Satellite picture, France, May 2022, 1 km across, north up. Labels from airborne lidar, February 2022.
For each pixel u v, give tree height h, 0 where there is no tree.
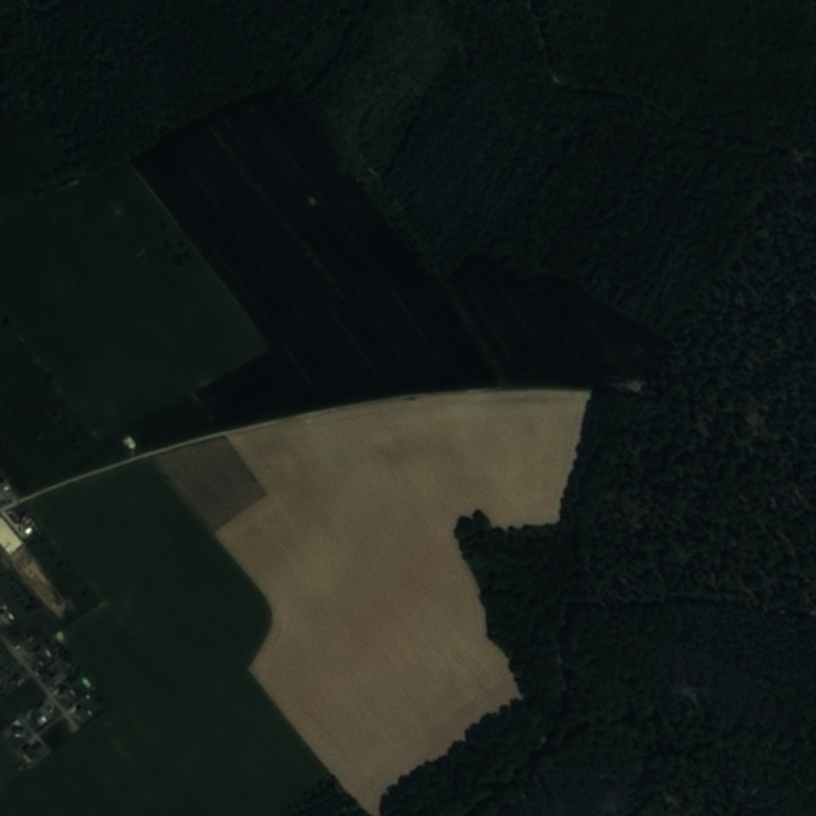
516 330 0
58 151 0
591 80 15
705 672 23
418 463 0
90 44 26
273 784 0
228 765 0
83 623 0
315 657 0
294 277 0
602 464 33
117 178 0
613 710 35
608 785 24
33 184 0
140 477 0
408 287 0
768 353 29
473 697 0
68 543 0
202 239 0
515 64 18
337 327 0
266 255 0
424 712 0
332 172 0
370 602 0
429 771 13
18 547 0
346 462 0
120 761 0
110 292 0
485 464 0
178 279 0
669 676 25
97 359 0
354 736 0
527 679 18
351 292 0
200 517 0
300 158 0
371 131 15
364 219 0
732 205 32
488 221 12
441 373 0
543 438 0
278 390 0
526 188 15
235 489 0
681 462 31
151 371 0
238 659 0
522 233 18
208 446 0
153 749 0
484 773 33
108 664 0
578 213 12
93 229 0
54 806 0
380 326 0
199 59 12
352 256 0
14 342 0
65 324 0
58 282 0
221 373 0
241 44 13
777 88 22
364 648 0
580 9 23
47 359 0
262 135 0
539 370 0
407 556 0
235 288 0
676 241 24
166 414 0
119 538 0
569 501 16
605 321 0
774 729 24
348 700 0
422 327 0
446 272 11
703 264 22
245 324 0
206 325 0
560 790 22
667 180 15
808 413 15
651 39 15
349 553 0
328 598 0
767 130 23
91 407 0
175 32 17
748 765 30
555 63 19
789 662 27
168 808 0
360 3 0
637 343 0
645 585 33
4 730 0
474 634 0
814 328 32
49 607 0
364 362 0
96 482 0
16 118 25
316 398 0
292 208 0
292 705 0
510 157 12
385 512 0
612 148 12
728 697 28
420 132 15
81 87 21
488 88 15
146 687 0
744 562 31
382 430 0
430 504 0
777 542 33
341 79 11
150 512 0
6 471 0
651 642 22
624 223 14
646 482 18
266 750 0
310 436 0
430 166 16
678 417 33
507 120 14
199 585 0
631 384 0
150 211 0
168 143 0
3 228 0
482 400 0
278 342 0
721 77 17
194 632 0
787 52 21
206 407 0
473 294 0
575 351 0
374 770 0
